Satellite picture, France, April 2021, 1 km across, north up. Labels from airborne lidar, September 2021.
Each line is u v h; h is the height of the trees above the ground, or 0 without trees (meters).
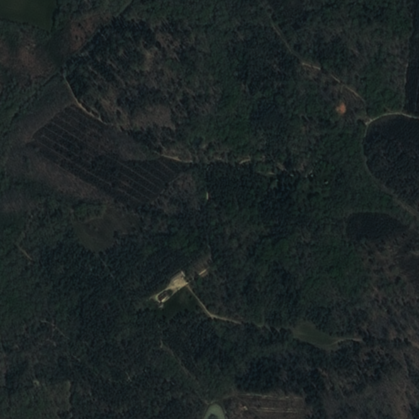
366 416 18
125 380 15
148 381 24
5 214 13
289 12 8
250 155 13
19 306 23
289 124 21
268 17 22
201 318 14
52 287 15
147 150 15
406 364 17
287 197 20
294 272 20
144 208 14
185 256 21
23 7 0
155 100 26
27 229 16
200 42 23
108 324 16
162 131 9
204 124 19
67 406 14
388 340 20
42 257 15
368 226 8
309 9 19
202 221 14
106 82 9
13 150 13
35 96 6
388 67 18
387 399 22
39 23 0
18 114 17
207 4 20
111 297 17
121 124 21
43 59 9
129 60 24
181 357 21
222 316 16
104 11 17
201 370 22
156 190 7
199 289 17
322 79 20
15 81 18
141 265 14
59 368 14
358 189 24
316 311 16
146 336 26
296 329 13
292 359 25
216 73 21
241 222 17
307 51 14
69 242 20
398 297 22
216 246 20
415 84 10
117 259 19
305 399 19
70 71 21
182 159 7
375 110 23
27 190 17
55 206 24
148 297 11
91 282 14
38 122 15
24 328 18
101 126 8
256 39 21
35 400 21
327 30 16
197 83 22
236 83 24
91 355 20
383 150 11
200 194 14
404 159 22
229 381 22
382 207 24
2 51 7
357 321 18
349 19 9
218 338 20
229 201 20
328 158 25
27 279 17
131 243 9
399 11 17
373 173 25
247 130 21
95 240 0
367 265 7
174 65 24
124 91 8
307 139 15
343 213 20
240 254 17
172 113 15
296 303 21
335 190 20
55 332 11
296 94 18
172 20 19
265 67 25
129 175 6
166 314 0
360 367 26
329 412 17
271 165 18
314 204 22
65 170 7
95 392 19
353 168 25
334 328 18
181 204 16
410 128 10
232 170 20
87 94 17
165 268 15
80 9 13
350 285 18
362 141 20
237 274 18
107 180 8
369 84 24
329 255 24
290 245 19
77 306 18
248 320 22
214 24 20
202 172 15
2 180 15
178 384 27
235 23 25
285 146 20
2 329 20
